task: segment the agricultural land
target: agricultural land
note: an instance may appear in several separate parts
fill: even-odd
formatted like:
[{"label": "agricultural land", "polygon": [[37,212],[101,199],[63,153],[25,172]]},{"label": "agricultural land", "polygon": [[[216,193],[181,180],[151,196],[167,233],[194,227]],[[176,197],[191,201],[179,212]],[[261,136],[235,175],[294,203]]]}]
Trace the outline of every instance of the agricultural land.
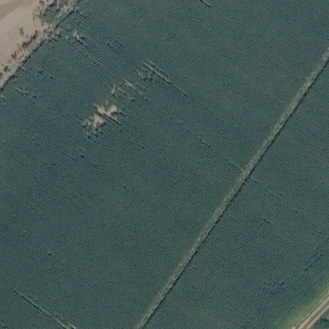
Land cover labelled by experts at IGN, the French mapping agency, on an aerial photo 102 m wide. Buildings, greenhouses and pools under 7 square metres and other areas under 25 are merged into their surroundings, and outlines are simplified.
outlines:
[{"label": "agricultural land", "polygon": [[0,329],[292,329],[292,326],[299,326],[307,314],[319,305],[320,294],[329,294],[329,0],[53,0],[45,12],[40,13],[45,30],[35,31],[30,40],[18,46],[12,57],[6,60],[6,67],[0,72]]}]

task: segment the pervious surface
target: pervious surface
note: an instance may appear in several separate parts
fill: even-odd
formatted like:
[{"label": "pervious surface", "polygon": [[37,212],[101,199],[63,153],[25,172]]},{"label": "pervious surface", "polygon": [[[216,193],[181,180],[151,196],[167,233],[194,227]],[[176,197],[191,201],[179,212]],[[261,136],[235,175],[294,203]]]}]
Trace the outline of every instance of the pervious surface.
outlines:
[{"label": "pervious surface", "polygon": [[299,326],[292,326],[292,329],[329,329],[329,294],[320,294],[319,305],[307,314]]}]

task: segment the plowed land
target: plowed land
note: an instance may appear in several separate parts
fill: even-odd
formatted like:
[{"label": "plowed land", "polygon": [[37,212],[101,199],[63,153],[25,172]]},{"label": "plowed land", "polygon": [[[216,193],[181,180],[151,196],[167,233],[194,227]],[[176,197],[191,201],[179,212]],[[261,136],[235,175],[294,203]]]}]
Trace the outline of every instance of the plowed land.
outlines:
[{"label": "plowed land", "polygon": [[35,31],[45,30],[40,13],[45,12],[53,0],[0,0],[0,72],[6,67],[6,60],[12,57],[18,46],[30,40]]}]

